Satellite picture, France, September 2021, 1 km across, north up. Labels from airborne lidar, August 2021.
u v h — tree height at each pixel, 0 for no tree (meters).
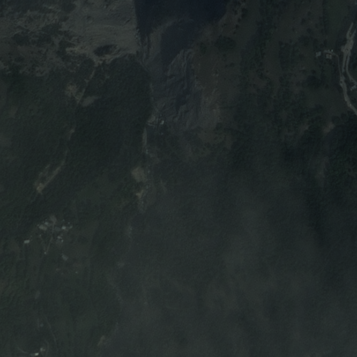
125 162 8
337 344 18
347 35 0
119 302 9
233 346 19
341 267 24
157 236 17
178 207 18
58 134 15
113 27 0
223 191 23
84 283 15
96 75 15
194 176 28
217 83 0
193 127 0
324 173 8
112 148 17
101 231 17
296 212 20
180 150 15
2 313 21
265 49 11
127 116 24
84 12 0
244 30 0
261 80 10
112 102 16
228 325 19
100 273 19
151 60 0
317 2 0
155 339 18
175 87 0
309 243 25
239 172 25
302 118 16
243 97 11
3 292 7
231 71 0
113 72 17
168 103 0
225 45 13
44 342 7
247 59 20
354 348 17
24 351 12
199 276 20
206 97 0
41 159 20
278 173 17
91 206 22
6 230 21
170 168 14
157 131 0
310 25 0
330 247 26
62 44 14
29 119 16
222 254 18
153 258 18
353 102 7
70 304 15
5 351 0
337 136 21
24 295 10
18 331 19
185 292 0
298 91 0
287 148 17
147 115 13
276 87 0
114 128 24
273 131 11
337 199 20
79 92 10
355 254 25
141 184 12
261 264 21
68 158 16
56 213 16
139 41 0
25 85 11
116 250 8
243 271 14
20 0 8
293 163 20
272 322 13
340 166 14
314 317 15
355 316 24
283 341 19
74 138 18
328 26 16
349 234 23
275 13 8
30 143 25
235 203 28
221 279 19
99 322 15
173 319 19
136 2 0
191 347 12
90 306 20
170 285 12
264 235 21
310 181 22
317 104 0
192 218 25
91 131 13
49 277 13
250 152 19
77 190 14
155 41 0
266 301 14
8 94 14
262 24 14
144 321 22
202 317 12
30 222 15
